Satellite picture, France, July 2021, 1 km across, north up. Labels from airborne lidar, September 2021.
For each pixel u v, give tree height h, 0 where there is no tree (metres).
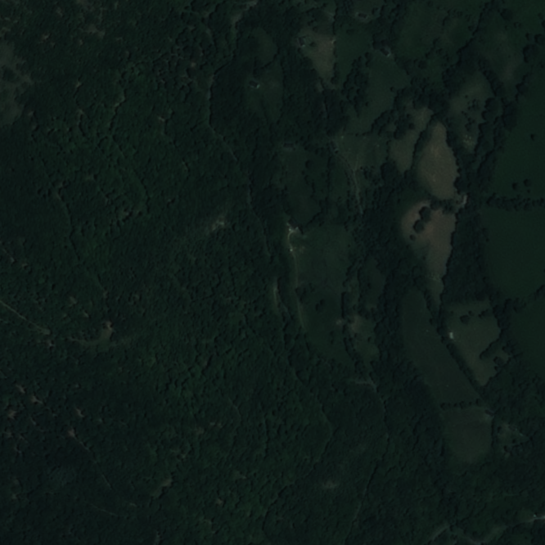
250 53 34
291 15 21
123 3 15
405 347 12
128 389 19
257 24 20
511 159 0
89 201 24
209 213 10
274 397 22
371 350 0
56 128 29
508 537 8
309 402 18
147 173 19
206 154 24
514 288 0
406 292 16
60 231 20
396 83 0
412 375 15
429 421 29
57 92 24
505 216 0
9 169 22
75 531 16
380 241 16
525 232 0
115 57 20
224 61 7
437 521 11
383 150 0
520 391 8
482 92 0
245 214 24
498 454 9
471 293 15
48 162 23
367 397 19
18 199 23
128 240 20
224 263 26
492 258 0
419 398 29
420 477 20
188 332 16
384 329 17
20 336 19
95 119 21
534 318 0
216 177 24
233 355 23
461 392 0
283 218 8
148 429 18
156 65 18
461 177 7
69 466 23
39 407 23
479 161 14
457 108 0
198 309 22
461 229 10
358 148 0
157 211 27
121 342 7
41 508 20
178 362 24
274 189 23
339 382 24
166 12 18
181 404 25
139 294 19
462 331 0
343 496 15
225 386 18
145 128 25
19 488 12
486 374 0
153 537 18
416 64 14
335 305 0
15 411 25
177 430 11
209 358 20
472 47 26
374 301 0
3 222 13
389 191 16
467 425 0
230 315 24
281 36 15
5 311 18
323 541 23
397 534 23
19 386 20
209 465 17
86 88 19
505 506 0
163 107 23
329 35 0
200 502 25
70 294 16
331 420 17
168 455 20
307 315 0
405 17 12
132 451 15
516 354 17
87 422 25
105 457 15
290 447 20
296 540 19
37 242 19
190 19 26
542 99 0
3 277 20
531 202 21
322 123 11
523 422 15
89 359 18
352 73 9
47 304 17
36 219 22
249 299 21
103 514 14
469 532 19
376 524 24
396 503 25
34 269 24
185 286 19
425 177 0
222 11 21
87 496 19
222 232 25
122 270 18
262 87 0
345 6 18
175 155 21
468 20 10
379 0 0
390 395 16
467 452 0
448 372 0
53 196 26
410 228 0
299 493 20
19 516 28
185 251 11
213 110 18
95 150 25
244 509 24
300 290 13
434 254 0
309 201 0
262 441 23
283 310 8
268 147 12
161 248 17
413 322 0
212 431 20
